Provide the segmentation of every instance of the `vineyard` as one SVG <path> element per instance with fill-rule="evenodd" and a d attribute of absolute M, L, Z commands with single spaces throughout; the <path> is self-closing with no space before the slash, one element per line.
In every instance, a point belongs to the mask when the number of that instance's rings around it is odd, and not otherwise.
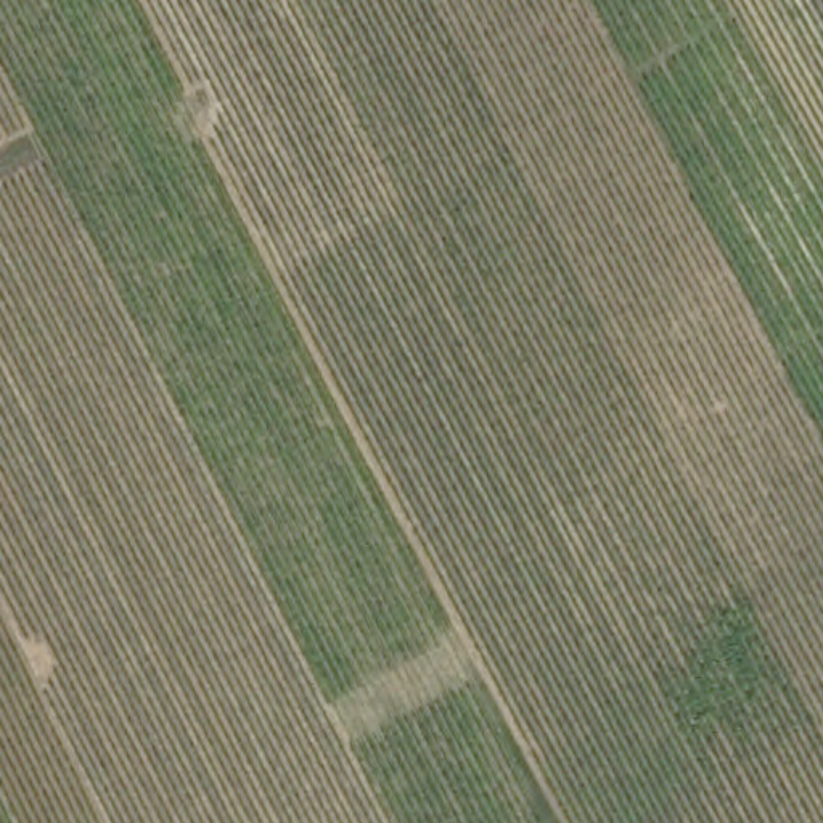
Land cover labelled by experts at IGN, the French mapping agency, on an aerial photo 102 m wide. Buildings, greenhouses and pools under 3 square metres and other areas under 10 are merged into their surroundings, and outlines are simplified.
<path fill-rule="evenodd" d="M 0 823 L 823 823 L 823 0 L 0 0 Z"/>

